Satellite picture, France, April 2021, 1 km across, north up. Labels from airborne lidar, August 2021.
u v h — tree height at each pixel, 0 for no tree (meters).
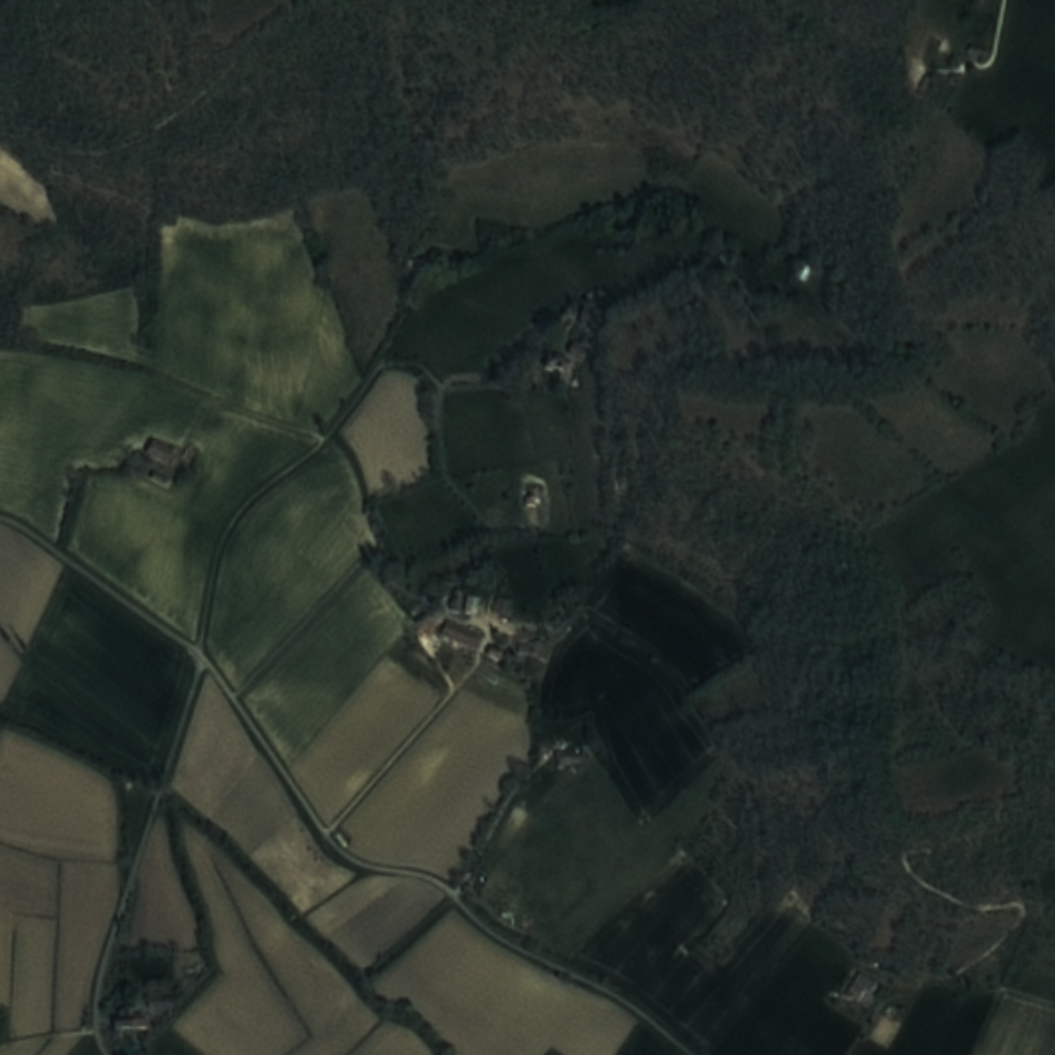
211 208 18
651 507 8
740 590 9
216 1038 0
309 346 0
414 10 14
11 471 0
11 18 9
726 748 17
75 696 0
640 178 0
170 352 0
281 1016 0
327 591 0
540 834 0
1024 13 0
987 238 16
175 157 12
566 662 0
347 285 0
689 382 11
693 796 0
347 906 0
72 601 0
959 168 0
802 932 0
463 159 20
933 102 16
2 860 0
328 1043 0
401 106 19
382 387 0
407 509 0
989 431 7
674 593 0
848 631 19
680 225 29
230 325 0
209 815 0
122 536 0
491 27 15
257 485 0
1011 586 0
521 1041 0
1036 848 16
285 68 13
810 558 14
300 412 0
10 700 0
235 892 0
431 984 0
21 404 0
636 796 0
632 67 21
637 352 0
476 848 10
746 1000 0
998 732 12
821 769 10
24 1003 0
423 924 0
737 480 8
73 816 0
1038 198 16
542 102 16
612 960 0
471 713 0
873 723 8
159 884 0
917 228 0
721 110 21
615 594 0
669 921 0
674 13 19
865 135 12
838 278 20
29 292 12
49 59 11
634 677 0
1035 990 0
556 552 0
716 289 23
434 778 0
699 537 11
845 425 0
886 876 11
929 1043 0
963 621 10
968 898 11
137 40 8
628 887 0
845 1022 0
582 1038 0
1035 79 0
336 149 22
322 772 0
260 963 0
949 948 15
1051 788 8
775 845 22
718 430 9
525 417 0
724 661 0
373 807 0
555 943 0
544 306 0
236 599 0
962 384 0
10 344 11
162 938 0
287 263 0
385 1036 0
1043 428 0
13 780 0
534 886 0
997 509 0
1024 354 0
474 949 0
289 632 0
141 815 0
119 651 0
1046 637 0
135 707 0
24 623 0
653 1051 0
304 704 0
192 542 0
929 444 0
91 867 0
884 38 18
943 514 0
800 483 11
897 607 16
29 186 0
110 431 0
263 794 0
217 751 0
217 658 0
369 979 11
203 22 8
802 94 6
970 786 0
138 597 0
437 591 11
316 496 0
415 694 0
